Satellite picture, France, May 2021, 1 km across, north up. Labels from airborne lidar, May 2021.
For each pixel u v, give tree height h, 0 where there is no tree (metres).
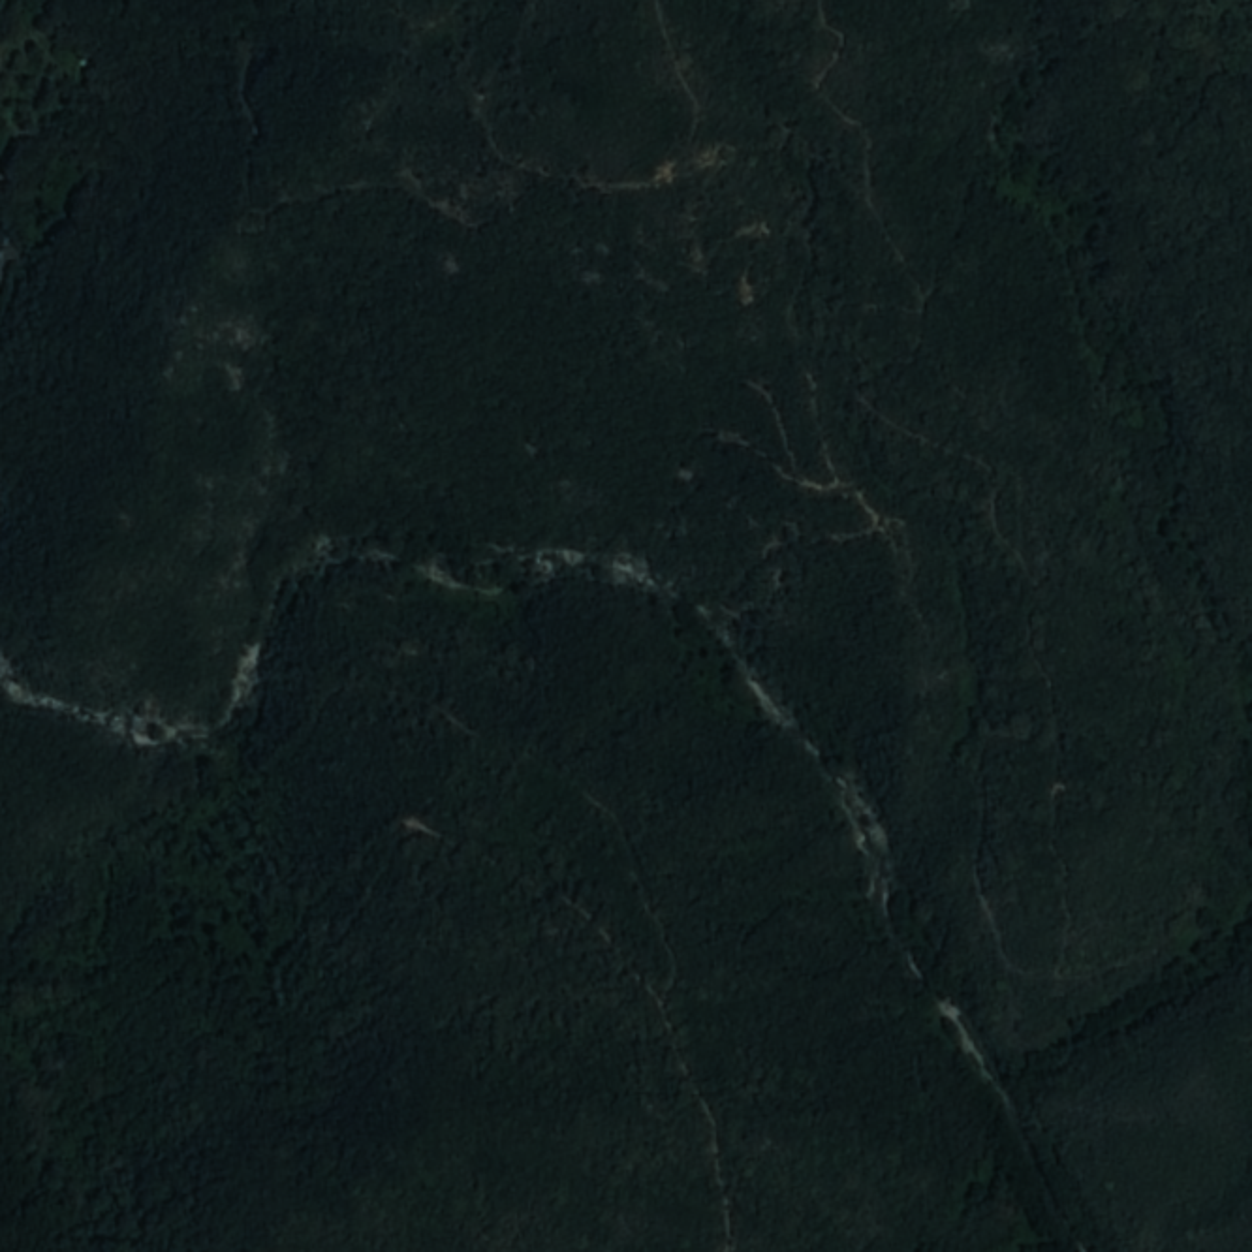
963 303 9
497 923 11
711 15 10
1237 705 10
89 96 11
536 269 11
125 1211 11
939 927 10
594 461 15
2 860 14
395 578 15
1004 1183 15
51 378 13
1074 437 12
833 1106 12
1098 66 11
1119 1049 12
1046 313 16
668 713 17
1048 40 26
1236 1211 7
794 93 11
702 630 7
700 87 7
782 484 12
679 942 10
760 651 11
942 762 10
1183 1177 6
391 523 21
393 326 11
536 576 8
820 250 14
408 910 8
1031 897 7
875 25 7
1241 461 14
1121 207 17
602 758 10
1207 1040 6
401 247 12
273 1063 15
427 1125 11
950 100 10
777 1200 9
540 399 14
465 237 13
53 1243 21
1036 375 12
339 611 6
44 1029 11
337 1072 16
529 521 9
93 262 15
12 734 13
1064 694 9
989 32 9
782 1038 13
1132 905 6
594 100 6
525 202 11
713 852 7
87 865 8
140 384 9
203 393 8
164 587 10
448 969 8
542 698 12
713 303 12
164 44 26
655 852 11
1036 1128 14
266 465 6
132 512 7
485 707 11
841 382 9
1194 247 12
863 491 9
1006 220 15
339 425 17
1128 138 13
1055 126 12
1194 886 14
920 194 11
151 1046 11
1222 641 12
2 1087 18
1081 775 11
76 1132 10
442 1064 9
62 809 10
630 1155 11
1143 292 13
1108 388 8
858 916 11
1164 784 10
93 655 13
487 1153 10
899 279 7
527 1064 12
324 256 8
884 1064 12
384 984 13
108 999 12
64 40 19
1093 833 6
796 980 12
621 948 10
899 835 12
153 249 12
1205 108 10
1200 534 14
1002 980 7
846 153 10
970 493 8
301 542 23
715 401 11
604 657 11
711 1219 6
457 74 7
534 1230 7
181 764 16
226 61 20
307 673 12
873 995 10
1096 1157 8
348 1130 16
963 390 7
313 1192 10
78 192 17
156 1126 14
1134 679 8
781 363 10
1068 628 8
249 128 15
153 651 12
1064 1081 13
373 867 7
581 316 12
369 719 13
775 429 13
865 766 12
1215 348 10
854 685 8
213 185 16
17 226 10
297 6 8
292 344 16
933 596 7
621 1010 9
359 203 13
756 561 12
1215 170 8
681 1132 7
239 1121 10
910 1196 12
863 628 11
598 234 8
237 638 11
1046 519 11
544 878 10
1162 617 6
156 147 15
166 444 11
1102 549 13
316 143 11
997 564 8
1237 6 12
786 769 12
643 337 13
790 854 5
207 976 9
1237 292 12
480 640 8
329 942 10
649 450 14
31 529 15
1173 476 23
